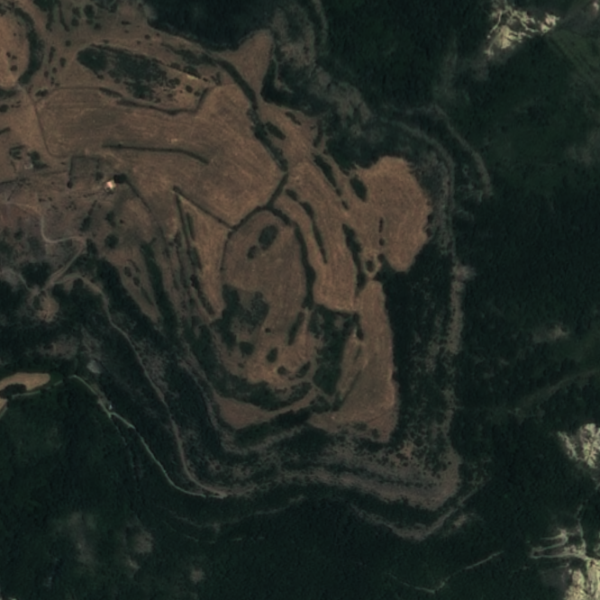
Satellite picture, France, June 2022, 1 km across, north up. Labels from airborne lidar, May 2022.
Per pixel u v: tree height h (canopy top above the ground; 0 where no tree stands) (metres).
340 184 0
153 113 0
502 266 13
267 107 0
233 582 16
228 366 0
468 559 16
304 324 0
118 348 6
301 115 0
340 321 0
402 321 10
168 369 7
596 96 8
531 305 9
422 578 11
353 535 17
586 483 8
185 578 7
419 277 7
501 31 0
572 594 0
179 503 9
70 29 0
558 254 10
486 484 11
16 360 8
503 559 13
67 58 0
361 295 0
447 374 7
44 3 0
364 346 0
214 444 7
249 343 0
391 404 0
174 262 0
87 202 0
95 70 0
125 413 12
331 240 0
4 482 9
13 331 13
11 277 0
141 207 0
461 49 8
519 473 14
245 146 0
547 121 7
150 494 8
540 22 0
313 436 9
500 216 10
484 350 9
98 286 0
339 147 7
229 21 7
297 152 0
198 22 9
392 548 14
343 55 11
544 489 12
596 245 12
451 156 5
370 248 0
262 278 0
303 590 11
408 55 7
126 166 0
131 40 0
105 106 0
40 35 0
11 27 0
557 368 9
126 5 0
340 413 0
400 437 6
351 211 0
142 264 0
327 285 0
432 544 10
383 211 0
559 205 13
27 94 0
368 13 12
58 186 0
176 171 0
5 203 0
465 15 9
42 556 9
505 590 14
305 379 0
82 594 6
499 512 19
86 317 12
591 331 6
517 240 12
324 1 9
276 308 0
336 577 17
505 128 11
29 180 0
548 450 15
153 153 0
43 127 0
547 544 8
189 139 0
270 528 16
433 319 8
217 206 0
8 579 14
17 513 17
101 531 7
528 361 9
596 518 13
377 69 13
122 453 13
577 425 10
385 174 0
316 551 17
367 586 13
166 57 0
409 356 6
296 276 0
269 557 17
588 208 13
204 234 0
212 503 11
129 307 6
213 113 0
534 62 12
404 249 0
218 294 0
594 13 0
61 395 10
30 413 7
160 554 10
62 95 0
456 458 0
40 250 0
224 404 0
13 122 0
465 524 7
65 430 7
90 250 10
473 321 10
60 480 17
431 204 0
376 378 0
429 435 7
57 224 0
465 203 8
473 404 11
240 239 0
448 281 11
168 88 0
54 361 11
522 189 9
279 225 0
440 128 9
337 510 20
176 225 0
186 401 10
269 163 0
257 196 0
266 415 0
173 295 0
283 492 13
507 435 13
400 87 9
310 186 0
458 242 13
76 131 0
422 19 19
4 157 0
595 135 0
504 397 7
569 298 15
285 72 9
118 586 5
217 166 0
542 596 11
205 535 10
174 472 8
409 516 10
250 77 0
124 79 0
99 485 9
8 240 0
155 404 6
